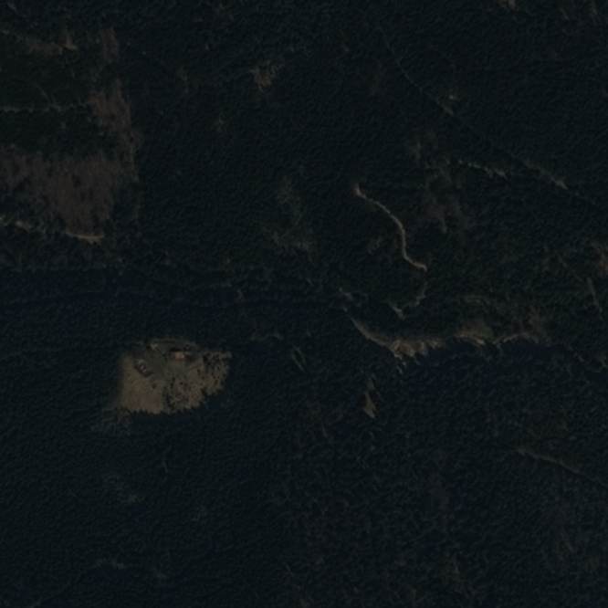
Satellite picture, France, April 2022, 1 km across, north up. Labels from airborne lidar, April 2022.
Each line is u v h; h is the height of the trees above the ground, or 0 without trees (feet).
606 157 78
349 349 112
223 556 94
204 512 67
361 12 87
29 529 97
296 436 113
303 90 92
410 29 63
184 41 62
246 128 75
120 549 69
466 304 29
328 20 85
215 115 74
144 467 83
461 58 68
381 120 56
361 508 135
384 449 115
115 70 77
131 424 65
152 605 72
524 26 62
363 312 33
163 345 0
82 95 31
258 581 91
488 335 0
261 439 95
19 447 93
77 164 45
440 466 118
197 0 64
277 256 91
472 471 70
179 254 94
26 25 68
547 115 77
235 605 83
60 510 76
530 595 68
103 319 83
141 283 90
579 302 29
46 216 56
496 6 68
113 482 78
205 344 89
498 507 77
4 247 38
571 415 34
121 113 109
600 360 47
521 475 80
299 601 48
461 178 38
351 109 57
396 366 85
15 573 101
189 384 0
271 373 91
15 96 32
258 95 72
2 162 73
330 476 138
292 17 40
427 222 33
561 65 36
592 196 63
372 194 56
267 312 95
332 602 102
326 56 89
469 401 123
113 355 86
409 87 76
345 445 133
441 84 78
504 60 67
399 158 34
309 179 81
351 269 71
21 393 89
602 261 80
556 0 39
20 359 57
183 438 76
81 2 102
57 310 88
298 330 68
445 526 142
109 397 53
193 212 80
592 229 71
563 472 65
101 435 76
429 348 0
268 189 81
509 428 40
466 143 73
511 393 70
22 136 37
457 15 84
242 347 84
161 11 68
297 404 108
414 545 104
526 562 51
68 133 29
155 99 52
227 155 54
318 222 69
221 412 80
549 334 73
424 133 73
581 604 71
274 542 83
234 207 76
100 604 81
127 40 50
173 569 83
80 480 81
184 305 75
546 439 38
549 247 43
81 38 63
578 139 69
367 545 134
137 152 26
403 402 117
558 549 80
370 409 0
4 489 74
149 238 77
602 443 37
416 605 46
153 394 0
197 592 91
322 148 82
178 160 60
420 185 41
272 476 91
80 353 87
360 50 33
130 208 60
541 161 87
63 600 73
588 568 73
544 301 45
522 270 33
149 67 70
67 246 86
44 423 90
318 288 106
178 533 93
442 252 46
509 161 52
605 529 49
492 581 109
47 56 46
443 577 26
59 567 71
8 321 79
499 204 83
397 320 78
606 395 42
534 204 80
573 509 38
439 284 35
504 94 73
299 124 67
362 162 55
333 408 138
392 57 66
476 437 70
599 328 38
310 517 116
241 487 98
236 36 77
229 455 64
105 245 43
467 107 57
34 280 94
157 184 78
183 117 77
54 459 82
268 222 91
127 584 87
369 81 70
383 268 35
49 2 108
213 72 79
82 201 68
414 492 111
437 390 118
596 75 96
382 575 96
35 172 47
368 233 61
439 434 119
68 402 77
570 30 69
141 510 45
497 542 54
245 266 56
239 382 87
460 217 35
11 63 26
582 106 87
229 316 93
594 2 61
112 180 71
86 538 79
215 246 79
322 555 98
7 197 24
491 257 30
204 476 70
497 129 67
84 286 100
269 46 90
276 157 80
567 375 26
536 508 84
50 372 90
